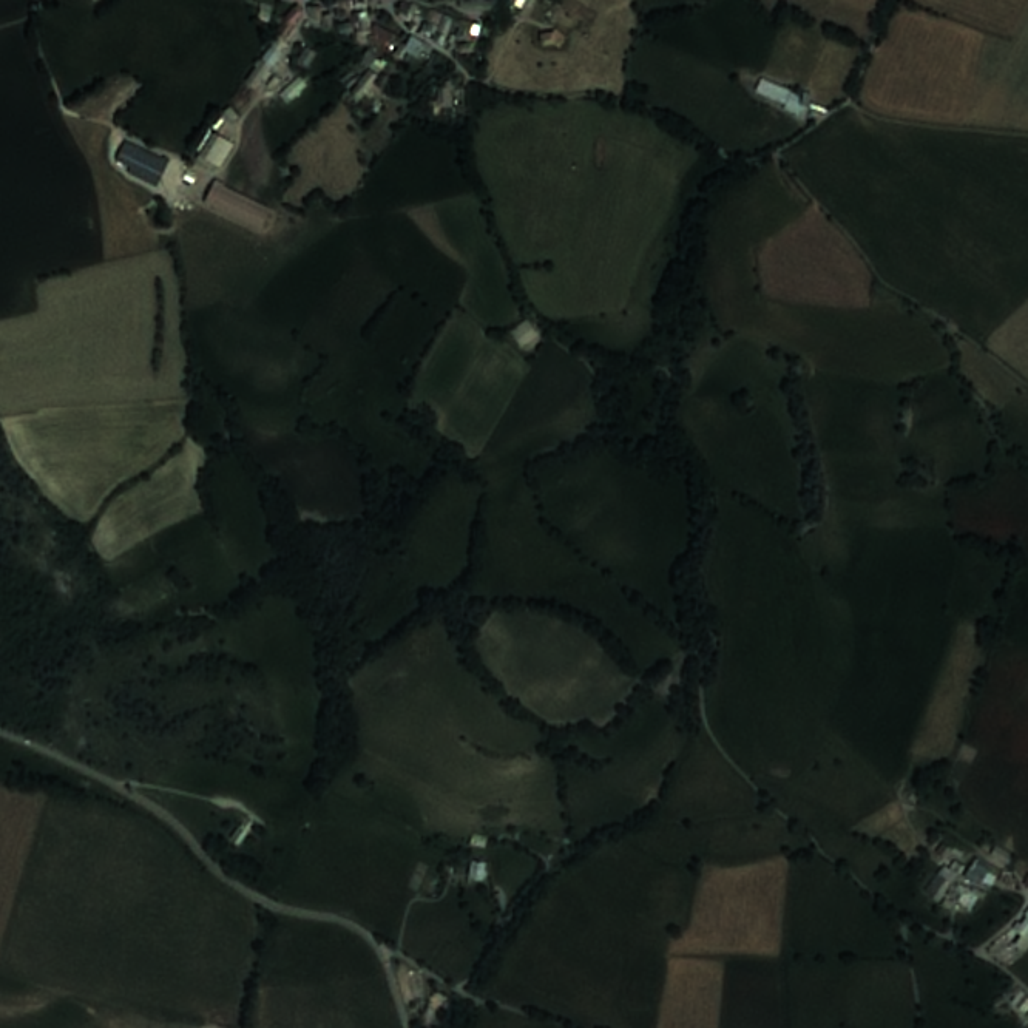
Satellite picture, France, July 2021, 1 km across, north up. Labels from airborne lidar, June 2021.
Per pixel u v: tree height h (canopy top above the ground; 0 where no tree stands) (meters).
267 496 24
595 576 0
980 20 0
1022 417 0
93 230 0
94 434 0
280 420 0
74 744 0
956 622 0
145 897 0
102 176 0
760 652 0
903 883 0
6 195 0
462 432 0
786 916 0
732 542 0
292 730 0
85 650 6
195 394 15
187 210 0
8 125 0
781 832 0
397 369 0
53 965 0
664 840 0
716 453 0
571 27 0
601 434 16
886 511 0
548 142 0
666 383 13
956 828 8
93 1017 0
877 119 0
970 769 0
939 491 0
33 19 13
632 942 0
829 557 0
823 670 0
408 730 0
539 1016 14
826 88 0
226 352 0
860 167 0
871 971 0
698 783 0
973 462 0
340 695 24
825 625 0
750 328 0
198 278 0
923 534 0
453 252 0
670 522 0
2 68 0
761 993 0
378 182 0
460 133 14
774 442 0
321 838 0
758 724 0
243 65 0
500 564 0
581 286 0
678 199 0
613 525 0
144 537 0
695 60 0
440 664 0
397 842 0
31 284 0
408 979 0
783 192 0
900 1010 0
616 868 0
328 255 0
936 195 0
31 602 12
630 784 0
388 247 0
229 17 0
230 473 0
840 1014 0
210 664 8
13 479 9
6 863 0
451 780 0
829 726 0
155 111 0
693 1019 0
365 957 0
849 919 0
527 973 0
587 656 0
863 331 0
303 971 0
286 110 0
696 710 15
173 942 0
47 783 16
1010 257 0
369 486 16
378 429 0
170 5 0
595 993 0
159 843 0
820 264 0
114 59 0
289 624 0
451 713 0
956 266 0
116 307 0
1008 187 0
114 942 0
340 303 0
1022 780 0
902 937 10
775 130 0
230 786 0
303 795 0
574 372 0
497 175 0
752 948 0
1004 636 15
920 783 16
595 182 0
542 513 10
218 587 0
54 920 0
